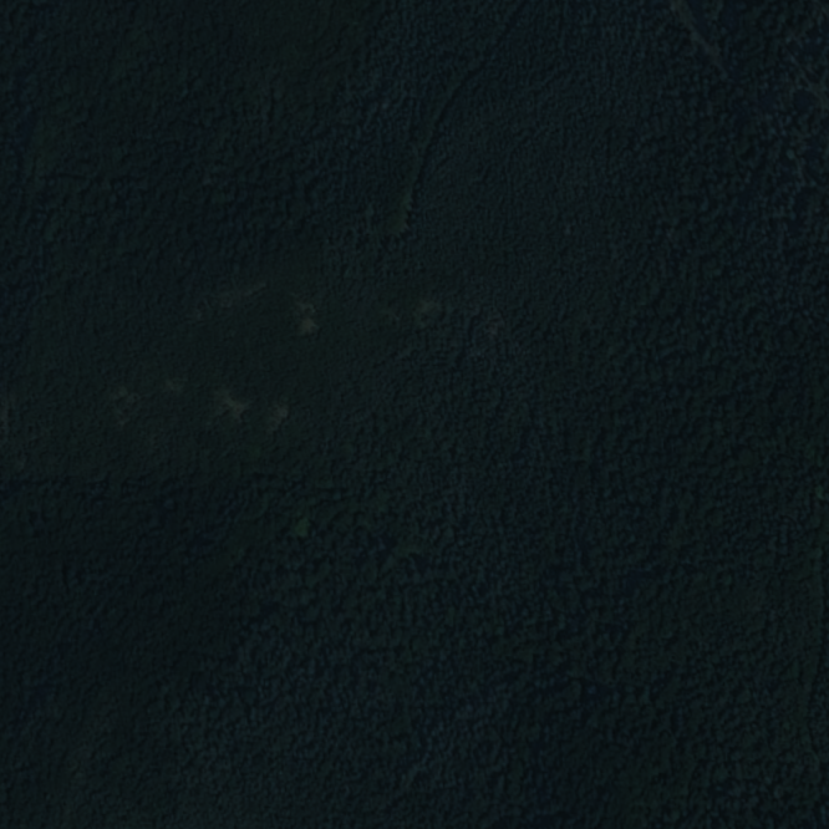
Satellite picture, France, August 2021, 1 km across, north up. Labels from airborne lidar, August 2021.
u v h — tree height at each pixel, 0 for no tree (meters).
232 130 20
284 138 22
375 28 14
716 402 17
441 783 20
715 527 18
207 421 9
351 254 17
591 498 18
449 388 13
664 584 23
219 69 28
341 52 22
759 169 17
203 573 28
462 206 21
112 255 19
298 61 18
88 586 22
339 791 16
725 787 8
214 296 7
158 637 26
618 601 19
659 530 21
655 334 26
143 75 21
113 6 26
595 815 23
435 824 16
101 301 16
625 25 25
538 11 21
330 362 17
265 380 15
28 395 13
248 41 21
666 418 21
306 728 18
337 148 24
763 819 24
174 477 20
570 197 20
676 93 29
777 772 13
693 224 17
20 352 11
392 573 15
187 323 13
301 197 22
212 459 16
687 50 26
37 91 20
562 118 22
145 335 16
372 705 19
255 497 25
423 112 21
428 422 20
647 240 15
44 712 21
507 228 15
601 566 31
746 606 19
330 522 29
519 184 19
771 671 17
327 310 14
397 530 25
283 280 12
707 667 19
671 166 19
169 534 33
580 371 15
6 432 6
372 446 15
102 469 12
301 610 10
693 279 21
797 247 24
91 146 19
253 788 22
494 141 16
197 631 25
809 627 17
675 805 21
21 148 22
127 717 19
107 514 28
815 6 26
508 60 21
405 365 18
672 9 28
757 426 17
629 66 24
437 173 17
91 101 21
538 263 18
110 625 26
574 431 21
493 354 28
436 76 17
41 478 14
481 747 20
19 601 25
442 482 17
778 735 18
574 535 20
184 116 23
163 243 20
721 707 20
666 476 20
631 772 27
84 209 15
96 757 20
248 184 22
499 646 32
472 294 17
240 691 12
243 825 19
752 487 11
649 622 20
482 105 15
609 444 25
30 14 21
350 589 14
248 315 13
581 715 21
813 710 14
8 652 26
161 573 31
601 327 12
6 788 19
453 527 14
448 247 17
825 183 28
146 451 10
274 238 19
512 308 23
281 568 16
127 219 16
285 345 16
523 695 32
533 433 21
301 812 20
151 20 20
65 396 11
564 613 8
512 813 20
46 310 17
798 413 15
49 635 21
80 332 15
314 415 18
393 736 19
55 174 12
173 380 7
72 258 20
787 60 22
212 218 23
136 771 17
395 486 23
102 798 14
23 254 18
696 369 20
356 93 10
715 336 24
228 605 23
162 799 12
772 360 20
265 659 15
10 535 26
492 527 18
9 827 17
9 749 18
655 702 15
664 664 17
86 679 22
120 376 13
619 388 20
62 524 29
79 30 21
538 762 19
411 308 8
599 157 21
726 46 23
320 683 19
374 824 12
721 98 28
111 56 20
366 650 9
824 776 15
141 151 18
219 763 18
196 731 18
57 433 10
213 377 11
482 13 16
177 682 23
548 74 17
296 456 21
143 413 8
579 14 12
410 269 14
